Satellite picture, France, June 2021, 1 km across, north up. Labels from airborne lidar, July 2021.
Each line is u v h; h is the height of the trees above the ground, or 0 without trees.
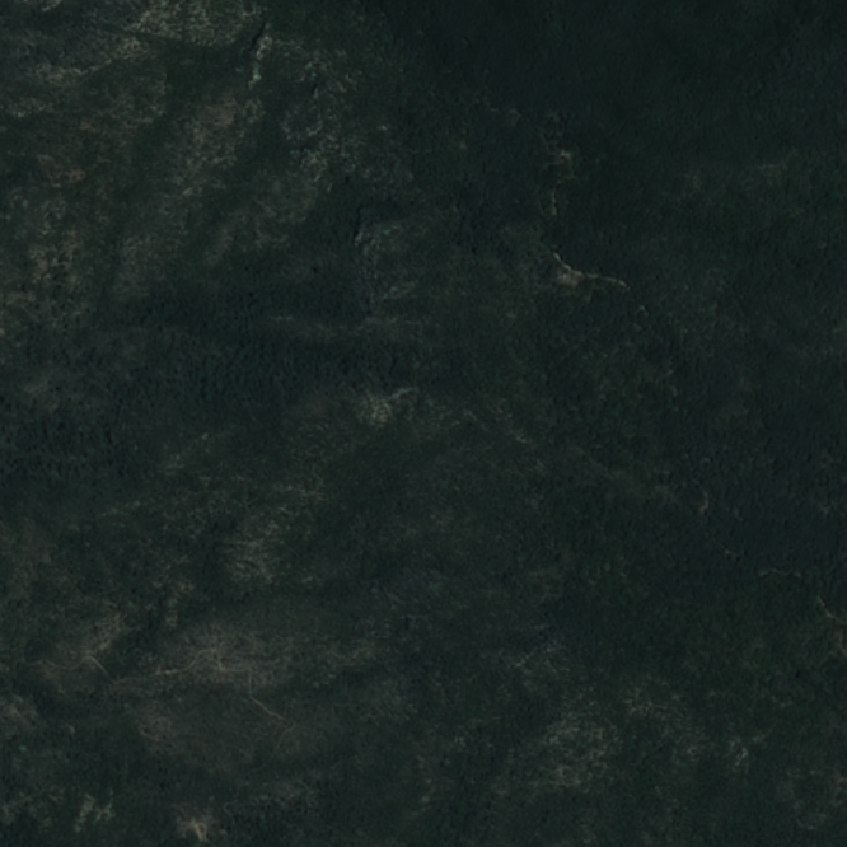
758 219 11
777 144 7
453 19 11
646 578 7
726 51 11
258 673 0
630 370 7
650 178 7
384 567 6
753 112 8
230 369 8
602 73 7
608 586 6
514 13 10
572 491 8
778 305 8
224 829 7
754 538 13
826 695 8
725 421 6
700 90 12
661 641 9
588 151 10
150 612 6
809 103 7
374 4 9
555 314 7
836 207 12
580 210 9
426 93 8
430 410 7
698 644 6
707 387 9
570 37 10
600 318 10
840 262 12
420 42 10
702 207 7
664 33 11
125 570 7
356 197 7
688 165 8
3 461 9
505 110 8
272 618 0
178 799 0
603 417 7
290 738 0
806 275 11
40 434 11
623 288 7
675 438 9
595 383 8
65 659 0
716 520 9
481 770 6
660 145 9
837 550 10
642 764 7
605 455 6
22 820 6
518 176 7
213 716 0
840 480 6
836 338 6
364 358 8
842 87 9
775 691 5
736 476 6
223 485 6
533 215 9
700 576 11
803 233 11
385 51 6
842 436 9
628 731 7
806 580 8
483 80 8
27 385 0
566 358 7
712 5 10
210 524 6
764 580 7
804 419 11
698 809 6
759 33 13
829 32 12
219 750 0
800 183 8
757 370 8
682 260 7
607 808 7
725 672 6
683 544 9
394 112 7
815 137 9
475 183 6
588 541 9
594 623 10
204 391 10
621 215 10
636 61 9
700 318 7
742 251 11
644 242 8
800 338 10
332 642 0
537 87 12
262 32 10
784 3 7
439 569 5
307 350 6
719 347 10
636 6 10
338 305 7
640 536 8
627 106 12
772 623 6
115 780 6
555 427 6
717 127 9
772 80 12
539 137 8
